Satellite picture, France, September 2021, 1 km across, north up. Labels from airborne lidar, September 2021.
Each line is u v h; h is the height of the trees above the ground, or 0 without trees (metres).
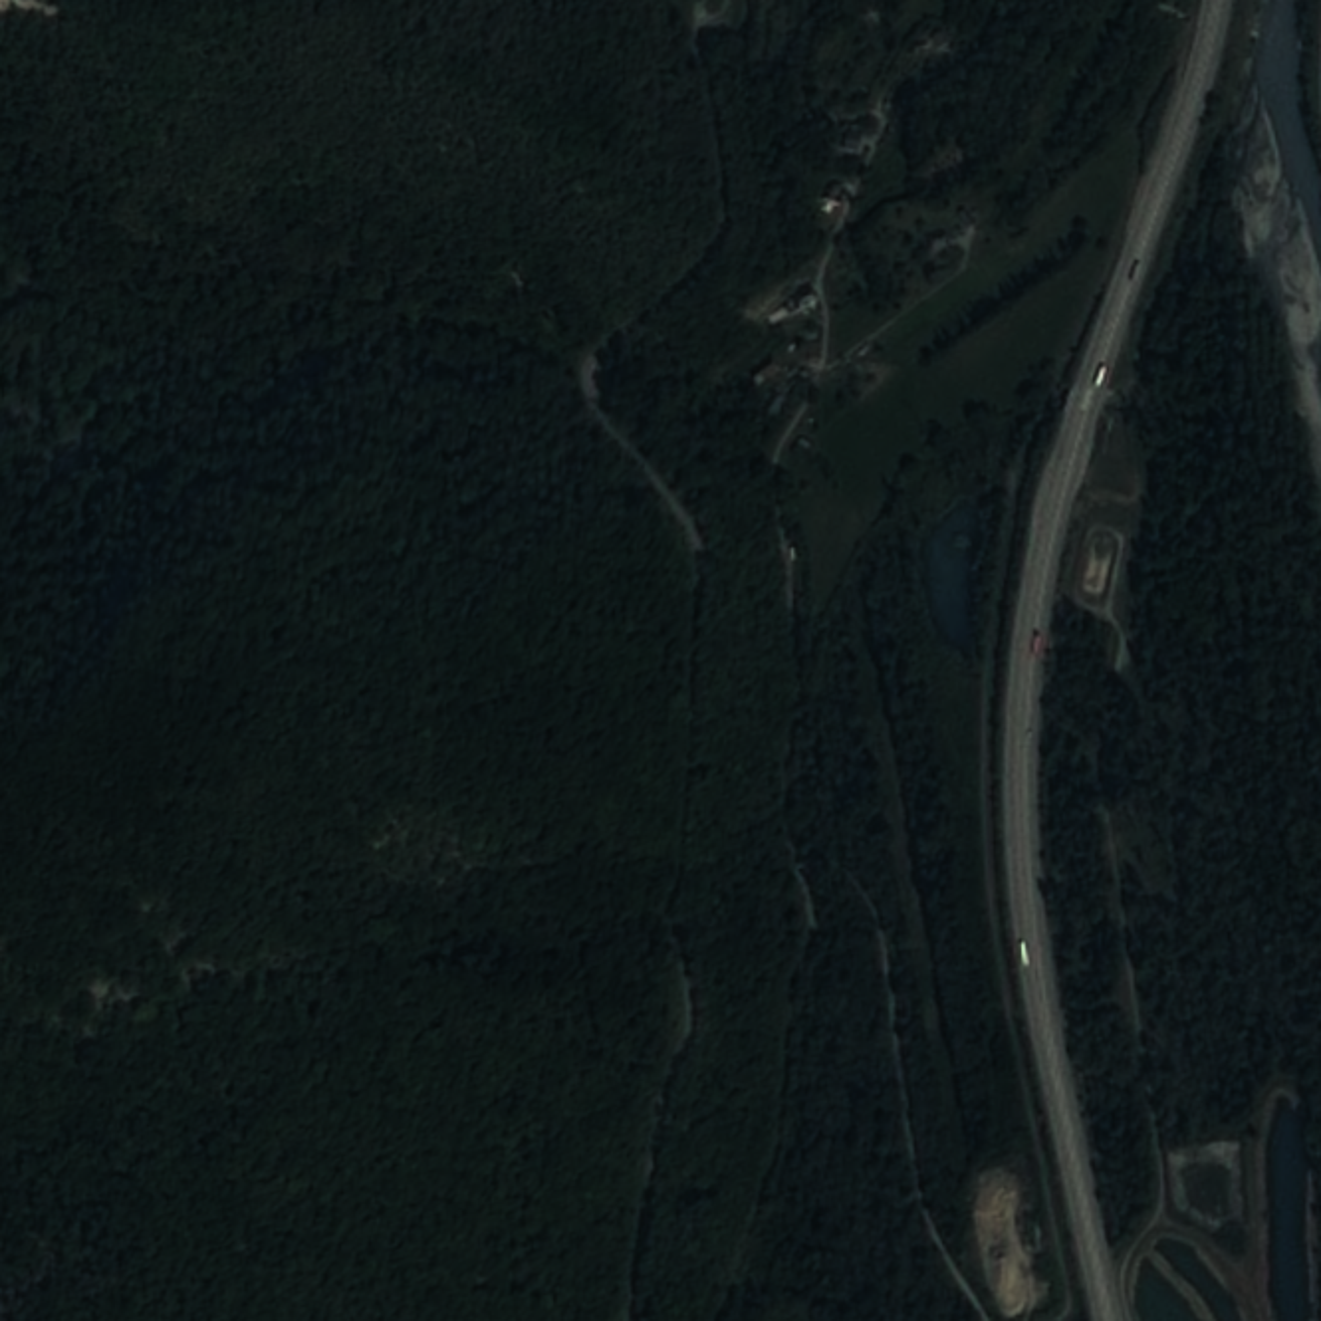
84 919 22
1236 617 16
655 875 18
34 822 23
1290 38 0
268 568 18
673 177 17
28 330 21
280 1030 22
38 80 19
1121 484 0
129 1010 14
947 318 0
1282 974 15
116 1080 23
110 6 13
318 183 14
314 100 17
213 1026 22
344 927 25
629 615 27
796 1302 8
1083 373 0
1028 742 0
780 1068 11
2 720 22
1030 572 0
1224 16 0
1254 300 18
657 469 18
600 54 23
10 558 27
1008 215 7
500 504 30
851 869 13
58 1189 26
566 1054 24
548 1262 16
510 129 13
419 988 26
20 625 30
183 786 16
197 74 16
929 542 0
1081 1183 0
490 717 29
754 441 9
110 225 15
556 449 30
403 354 22
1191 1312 0
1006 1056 7
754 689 17
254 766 23
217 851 24
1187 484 21
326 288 22
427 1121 23
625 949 28
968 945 11
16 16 14
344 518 15
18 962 12
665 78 20
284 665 21
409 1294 27
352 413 25
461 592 19
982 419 16
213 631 19
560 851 19
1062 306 0
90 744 22
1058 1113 0
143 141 14
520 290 10
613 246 17
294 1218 20
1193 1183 0
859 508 0
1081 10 19
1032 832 0
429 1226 23
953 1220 10
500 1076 18
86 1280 27
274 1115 17
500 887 21
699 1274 20
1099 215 0
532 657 19
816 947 10
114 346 13
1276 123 0
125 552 26
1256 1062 16
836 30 16
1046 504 0
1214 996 19
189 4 17
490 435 26
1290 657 12
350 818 18
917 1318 12
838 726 10
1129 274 0
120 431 25
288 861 20
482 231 16
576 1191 18
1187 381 20
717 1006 21
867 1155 9
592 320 12
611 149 24
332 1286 20
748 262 21
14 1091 22
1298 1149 0
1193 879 15
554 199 13
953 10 10
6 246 28
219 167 11
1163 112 7
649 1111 16
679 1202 7
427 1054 24
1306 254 0
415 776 19
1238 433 29
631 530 22
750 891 31
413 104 10
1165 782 18
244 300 30
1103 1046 14
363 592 25
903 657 20
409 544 24
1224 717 18
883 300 10
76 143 16
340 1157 21
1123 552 0
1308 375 0
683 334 18
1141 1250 0
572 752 25
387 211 22
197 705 25
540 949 26
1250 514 34
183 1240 20
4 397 15
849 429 0
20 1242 21
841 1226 12
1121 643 0
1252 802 16
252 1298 18
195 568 14
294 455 25
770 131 17
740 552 25
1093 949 7
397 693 23
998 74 20
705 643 22
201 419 29
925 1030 11
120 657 12
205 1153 17
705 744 20
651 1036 17
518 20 29
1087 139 15
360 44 12
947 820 23
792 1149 9
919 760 14
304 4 23
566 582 22
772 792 21
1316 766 6
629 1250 12
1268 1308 0
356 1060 21
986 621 12
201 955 16
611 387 20
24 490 25
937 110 18
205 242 25
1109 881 15
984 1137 20
